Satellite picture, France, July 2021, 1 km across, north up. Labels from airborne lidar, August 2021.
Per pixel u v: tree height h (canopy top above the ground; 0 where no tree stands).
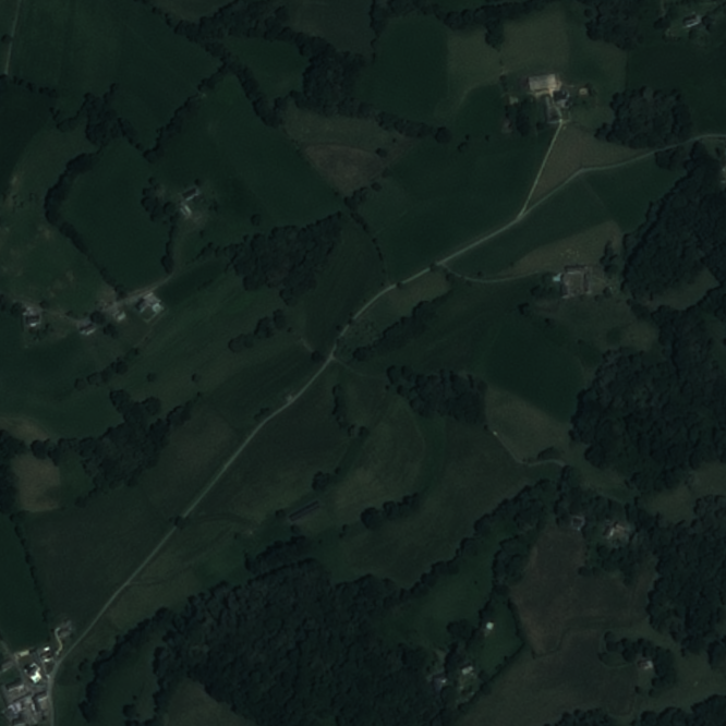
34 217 0
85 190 0
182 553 0
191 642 33
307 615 18
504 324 0
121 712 0
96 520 0
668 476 23
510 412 0
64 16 0
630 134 20
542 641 0
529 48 0
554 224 0
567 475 17
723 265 20
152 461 20
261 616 20
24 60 0
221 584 0
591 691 0
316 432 0
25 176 0
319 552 0
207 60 0
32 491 0
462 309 0
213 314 0
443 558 0
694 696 0
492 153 0
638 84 0
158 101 0
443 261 0
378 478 0
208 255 12
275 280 23
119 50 0
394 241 0
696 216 26
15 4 0
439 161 0
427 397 23
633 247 14
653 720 26
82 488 0
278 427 0
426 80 0
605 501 20
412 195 0
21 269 0
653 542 24
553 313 0
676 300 0
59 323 0
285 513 11
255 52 0
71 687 0
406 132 21
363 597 16
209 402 0
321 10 0
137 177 0
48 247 0
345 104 19
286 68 0
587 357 0
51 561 0
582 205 0
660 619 26
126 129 26
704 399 11
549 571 0
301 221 0
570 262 0
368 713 24
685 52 0
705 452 25
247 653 16
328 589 20
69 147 0
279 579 26
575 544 0
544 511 16
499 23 19
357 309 0
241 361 0
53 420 0
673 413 26
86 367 0
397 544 0
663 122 24
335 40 0
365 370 0
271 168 0
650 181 0
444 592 0
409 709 19
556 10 0
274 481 0
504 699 0
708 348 20
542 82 0
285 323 21
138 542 0
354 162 0
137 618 0
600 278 0
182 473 0
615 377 23
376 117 16
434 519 0
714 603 30
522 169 0
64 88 0
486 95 0
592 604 0
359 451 0
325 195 0
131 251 0
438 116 0
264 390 0
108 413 0
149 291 0
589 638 0
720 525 18
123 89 7
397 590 21
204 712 0
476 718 0
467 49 0
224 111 0
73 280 0
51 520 0
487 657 0
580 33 0
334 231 23
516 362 0
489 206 0
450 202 0
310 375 0
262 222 16
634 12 20
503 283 0
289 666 14
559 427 0
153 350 0
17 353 0
